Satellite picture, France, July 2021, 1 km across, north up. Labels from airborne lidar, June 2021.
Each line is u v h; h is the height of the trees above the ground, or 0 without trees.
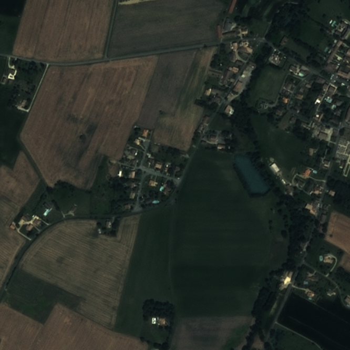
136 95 0
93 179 0
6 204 0
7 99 0
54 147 0
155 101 0
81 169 0
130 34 0
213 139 0
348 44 10
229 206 0
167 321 0
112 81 0
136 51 0
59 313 0
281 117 6
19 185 0
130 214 0
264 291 17
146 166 0
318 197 10
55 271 0
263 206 0
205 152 0
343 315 0
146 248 0
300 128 6
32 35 0
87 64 0
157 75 0
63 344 0
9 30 0
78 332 0
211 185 0
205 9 0
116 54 0
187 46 0
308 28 0
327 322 0
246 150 0
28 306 0
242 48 0
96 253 0
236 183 0
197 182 0
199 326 0
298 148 0
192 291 0
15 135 0
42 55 0
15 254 0
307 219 23
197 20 0
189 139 0
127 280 0
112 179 7
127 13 0
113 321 0
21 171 0
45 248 0
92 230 0
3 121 0
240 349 0
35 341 0
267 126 0
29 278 0
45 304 0
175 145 0
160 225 0
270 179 15
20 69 8
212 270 0
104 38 0
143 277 0
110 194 0
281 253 0
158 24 0
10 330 0
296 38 14
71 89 0
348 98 6
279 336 21
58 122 0
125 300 0
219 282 0
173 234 0
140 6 0
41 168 0
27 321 0
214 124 0
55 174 0
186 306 0
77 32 0
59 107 0
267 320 0
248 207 0
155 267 0
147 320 13
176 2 0
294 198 24
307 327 0
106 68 0
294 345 0
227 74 0
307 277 0
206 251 0
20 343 0
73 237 0
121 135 0
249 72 0
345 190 20
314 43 0
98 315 0
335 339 0
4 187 0
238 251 0
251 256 0
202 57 0
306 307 0
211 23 0
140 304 0
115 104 0
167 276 0
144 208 20
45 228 0
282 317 0
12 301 0
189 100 0
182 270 0
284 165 0
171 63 0
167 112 0
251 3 0
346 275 6
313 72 0
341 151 0
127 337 0
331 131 0
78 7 0
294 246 24
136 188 9
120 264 0
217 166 0
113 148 0
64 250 0
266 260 0
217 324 0
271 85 0
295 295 0
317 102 0
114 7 0
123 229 0
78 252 0
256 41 0
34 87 7
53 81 0
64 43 0
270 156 0
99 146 0
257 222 0
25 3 0
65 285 0
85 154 0
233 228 0
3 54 0
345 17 0
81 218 0
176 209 0
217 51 0
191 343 0
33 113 0
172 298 0
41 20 0
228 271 0
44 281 0
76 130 0
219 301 0
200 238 0
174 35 0
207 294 0
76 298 0
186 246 0
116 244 0
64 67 0
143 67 0
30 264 0
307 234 0
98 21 0
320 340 0
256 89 0
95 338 0
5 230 0
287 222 11
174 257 0
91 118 0
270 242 0
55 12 0
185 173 0
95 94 0
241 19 17
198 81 0
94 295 0
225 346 0
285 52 10
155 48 0
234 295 0
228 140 12
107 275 0
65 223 0
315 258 0
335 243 0
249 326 0
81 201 0
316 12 0
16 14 0
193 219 0
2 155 0
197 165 0
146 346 0
